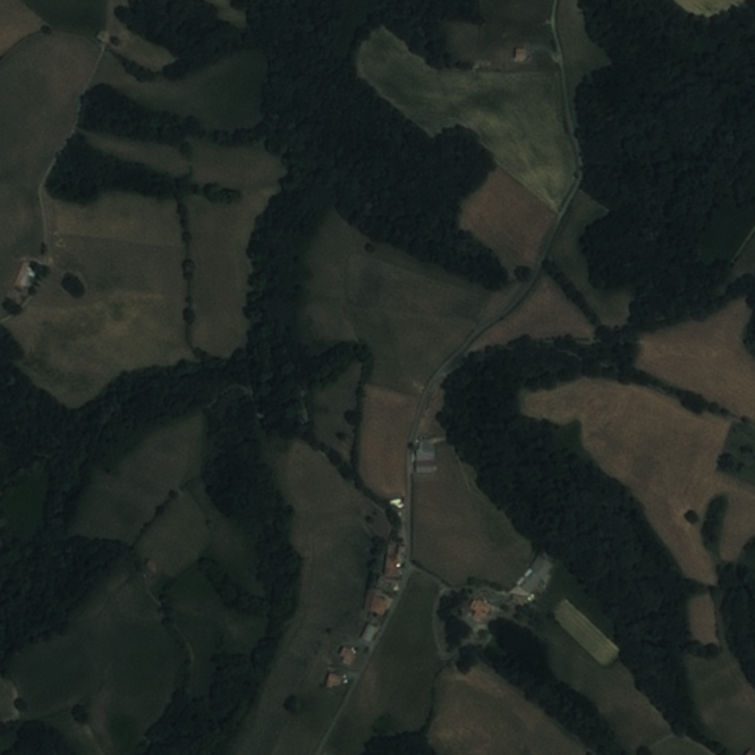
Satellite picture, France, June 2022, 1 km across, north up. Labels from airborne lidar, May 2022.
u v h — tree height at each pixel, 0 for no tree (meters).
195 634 0
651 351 0
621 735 0
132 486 0
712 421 0
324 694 0
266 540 13
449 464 0
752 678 19
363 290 0
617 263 23
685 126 27
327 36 12
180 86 0
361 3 0
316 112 21
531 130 0
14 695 0
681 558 0
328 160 22
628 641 19
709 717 0
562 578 0
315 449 8
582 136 15
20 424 24
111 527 0
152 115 11
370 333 0
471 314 0
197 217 0
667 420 0
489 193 0
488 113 0
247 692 19
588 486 31
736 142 27
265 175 0
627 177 22
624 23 18
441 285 0
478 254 6
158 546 0
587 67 0
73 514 14
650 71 19
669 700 25
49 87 0
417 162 18
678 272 28
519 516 17
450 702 0
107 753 0
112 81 0
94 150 7
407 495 0
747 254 0
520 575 0
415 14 18
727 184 10
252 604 24
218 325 0
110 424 10
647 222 25
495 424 26
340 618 0
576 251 0
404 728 0
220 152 0
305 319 0
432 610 0
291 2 21
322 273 0
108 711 0
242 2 18
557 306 0
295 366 17
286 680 0
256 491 22
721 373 0
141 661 0
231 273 0
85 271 0
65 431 15
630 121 21
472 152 16
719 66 21
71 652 0
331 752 0
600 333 13
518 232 0
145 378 16
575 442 0
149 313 0
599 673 0
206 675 0
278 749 0
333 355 22
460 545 0
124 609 0
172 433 0
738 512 0
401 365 0
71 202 6
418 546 0
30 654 0
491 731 0
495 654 10
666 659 32
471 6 11
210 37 26
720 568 9
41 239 0
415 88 0
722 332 0
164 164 0
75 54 0
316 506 0
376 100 14
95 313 0
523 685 22
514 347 9
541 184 0
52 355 0
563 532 19
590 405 0
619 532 22
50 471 13
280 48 19
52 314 0
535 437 7
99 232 0
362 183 26
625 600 23
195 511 0
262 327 27
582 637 0
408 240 11
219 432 9
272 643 12
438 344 0
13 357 21
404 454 0
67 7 0
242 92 0
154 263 0
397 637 0
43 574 17
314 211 6
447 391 19
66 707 0
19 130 0
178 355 0
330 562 0
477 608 0
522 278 14
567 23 0
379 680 0
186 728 22
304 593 0
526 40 0
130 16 22
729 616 14
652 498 0
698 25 19
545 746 0
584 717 15
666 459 0
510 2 0
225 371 19
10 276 0
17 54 0
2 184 0
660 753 0
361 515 0
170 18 28
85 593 9
